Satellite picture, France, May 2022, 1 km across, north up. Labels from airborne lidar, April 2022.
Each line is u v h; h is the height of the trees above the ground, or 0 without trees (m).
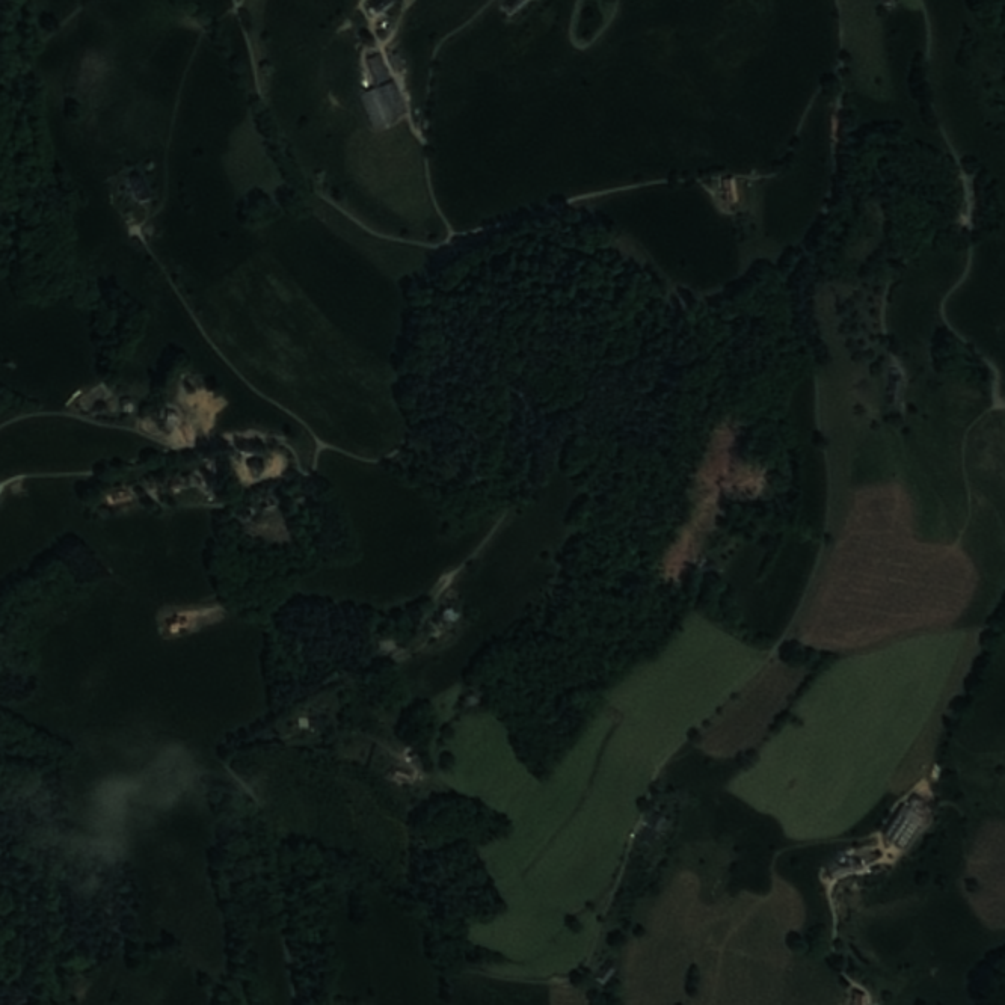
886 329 0
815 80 0
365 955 0
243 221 18
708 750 0
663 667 0
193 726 0
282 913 18
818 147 0
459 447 17
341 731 10
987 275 0
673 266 0
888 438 0
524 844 0
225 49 14
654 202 0
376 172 0
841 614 0
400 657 0
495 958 8
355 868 24
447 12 0
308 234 0
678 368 25
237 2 0
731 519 10
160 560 0
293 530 15
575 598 19
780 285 24
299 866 21
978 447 0
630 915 5
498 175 0
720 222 0
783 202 0
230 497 17
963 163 7
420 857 23
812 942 17
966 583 0
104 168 0
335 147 0
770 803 0
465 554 0
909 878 0
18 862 27
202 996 0
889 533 0
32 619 26
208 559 19
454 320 29
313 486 15
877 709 0
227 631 0
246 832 23
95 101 0
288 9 0
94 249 0
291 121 0
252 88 0
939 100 0
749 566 0
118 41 0
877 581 0
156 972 0
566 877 0
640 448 32
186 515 0
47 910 32
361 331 0
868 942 0
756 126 0
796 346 7
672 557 0
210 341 0
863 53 0
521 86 0
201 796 13
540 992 0
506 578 0
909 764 0
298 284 0
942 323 0
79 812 0
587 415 23
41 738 25
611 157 0
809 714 0
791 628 0
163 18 0
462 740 0
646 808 13
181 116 0
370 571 0
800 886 0
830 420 0
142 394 0
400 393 16
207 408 0
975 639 0
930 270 0
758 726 0
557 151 0
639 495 24
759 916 0
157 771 0
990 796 0
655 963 0
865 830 0
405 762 0
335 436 0
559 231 28
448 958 28
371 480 0
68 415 0
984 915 0
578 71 0
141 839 0
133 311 23
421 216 0
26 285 23
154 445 0
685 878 0
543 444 28
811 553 0
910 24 0
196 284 0
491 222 0
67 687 0
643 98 0
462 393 24
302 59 0
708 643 0
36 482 0
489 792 0
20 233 25
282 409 0
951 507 0
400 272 0
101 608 0
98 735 0
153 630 0
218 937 0
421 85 0
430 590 0
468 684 13
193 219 0
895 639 0
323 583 0
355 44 0
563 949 0
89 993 0
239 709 0
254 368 0
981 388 14
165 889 0
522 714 25
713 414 31
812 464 0
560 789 0
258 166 0
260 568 18
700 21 0
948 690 0
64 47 0
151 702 0
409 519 0
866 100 0
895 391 0
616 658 27
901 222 20
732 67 0
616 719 0
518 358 26
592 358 22
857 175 22
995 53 0
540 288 23
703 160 0
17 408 10
